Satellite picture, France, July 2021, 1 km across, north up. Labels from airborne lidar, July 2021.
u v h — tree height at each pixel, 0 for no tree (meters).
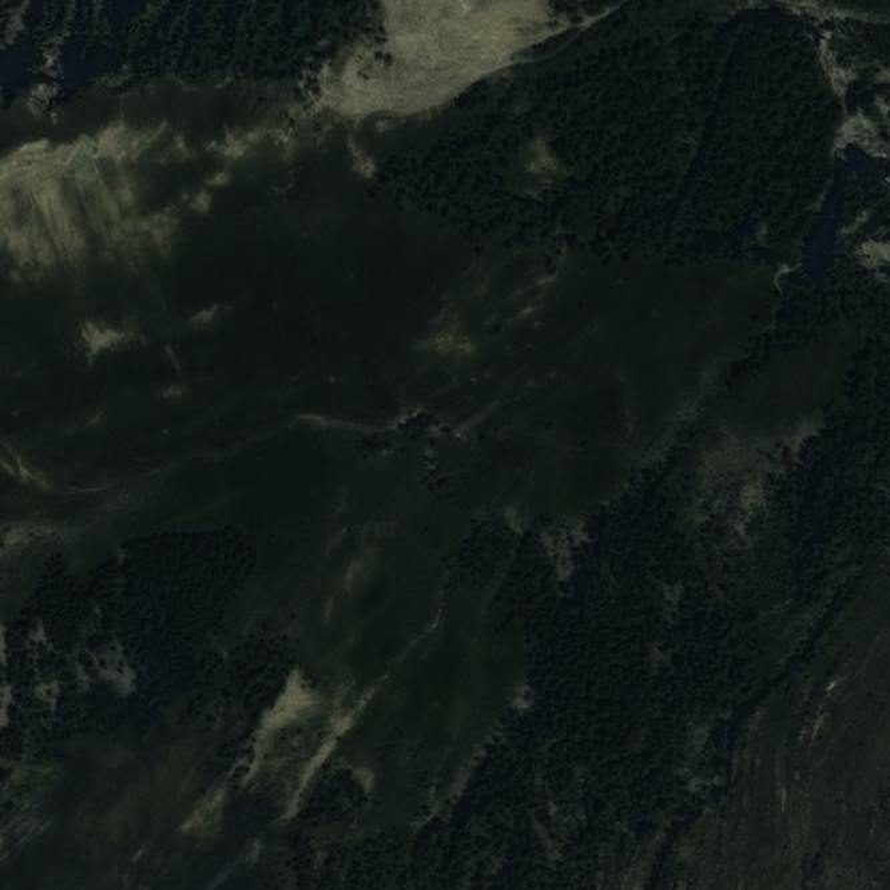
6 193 0
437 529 0
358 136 0
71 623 15
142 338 0
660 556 16
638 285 0
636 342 0
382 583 0
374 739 0
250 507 0
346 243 0
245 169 0
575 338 0
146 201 0
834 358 0
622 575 19
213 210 0
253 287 0
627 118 27
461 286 0
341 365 0
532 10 0
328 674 0
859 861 0
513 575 12
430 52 0
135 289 0
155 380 0
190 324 0
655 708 7
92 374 0
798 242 9
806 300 17
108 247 0
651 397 0
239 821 0
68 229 0
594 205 11
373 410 0
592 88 17
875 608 0
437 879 11
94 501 0
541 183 0
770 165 13
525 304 0
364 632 0
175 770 0
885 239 7
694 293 0
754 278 0
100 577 12
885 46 15
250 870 0
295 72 11
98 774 0
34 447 0
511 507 0
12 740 9
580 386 0
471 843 13
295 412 0
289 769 0
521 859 11
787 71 11
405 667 0
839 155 7
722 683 15
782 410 0
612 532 12
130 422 0
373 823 0
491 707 0
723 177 19
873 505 14
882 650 0
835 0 10
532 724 13
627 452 0
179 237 0
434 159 14
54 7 15
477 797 14
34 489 0
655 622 17
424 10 0
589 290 0
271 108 0
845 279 14
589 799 9
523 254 0
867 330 0
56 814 0
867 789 0
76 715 17
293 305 0
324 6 16
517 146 13
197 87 0
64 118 0
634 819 6
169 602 14
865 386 21
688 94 8
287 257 0
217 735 0
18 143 0
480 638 0
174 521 0
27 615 12
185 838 0
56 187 0
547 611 11
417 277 0
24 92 0
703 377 0
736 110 27
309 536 0
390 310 0
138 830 0
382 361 0
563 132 10
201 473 0
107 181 0
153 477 0
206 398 0
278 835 0
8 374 0
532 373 0
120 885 0
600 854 9
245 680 11
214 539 11
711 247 16
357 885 11
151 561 17
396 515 0
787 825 0
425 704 0
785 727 0
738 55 15
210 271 0
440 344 0
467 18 0
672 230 19
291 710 0
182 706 0
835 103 41
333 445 0
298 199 0
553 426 7
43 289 0
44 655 11
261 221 0
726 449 0
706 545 12
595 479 0
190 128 0
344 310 0
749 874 0
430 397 0
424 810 7
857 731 0
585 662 8
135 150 0
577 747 11
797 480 9
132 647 13
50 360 0
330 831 0
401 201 13
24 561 0
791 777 0
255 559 7
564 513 0
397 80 0
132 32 14
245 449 0
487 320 0
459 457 0
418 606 0
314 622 0
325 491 0
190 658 9
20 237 0
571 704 15
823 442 12
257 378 0
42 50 23
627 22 18
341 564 0
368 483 0
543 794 7
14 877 0
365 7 11
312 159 0
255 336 0
